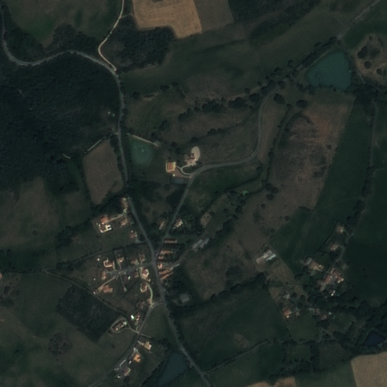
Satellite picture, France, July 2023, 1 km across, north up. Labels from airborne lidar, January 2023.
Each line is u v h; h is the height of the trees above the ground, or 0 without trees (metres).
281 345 0
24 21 0
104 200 6
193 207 0
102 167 0
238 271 8
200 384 0
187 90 0
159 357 0
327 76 0
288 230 0
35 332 0
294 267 0
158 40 8
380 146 0
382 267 0
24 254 0
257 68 0
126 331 0
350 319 0
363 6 0
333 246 0
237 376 0
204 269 0
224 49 0
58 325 0
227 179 0
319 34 0
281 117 0
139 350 0
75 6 0
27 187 0
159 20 0
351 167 0
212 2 0
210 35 0
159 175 0
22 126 14
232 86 0
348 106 0
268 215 0
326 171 0
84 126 7
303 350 0
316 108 0
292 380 0
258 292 0
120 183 0
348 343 19
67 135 12
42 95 17
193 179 0
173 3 0
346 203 0
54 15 0
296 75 10
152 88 0
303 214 0
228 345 0
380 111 0
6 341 0
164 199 0
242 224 0
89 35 0
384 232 0
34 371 0
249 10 6
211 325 0
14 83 23
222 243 0
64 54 10
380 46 0
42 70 11
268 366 0
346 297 17
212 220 0
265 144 0
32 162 15
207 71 0
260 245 0
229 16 0
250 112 0
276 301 0
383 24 0
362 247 0
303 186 0
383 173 0
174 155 0
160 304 0
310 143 0
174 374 0
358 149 0
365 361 0
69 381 0
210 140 0
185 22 0
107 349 0
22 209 0
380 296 0
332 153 0
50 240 0
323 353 0
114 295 0
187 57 0
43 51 8
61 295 0
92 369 0
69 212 0
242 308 0
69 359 0
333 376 0
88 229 0
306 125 0
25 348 0
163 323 0
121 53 6
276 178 0
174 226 7
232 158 0
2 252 10
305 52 0
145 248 0
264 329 0
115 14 0
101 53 0
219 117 0
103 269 0
